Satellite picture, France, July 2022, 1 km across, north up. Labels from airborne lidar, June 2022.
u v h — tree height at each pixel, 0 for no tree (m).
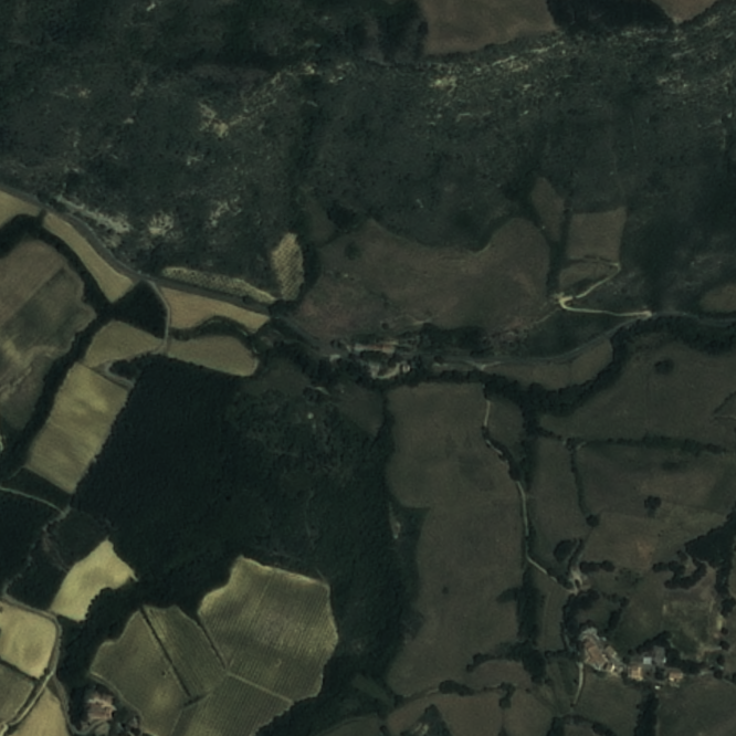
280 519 9
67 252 9
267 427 11
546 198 0
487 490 0
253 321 0
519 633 7
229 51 8
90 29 8
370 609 10
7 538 16
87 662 7
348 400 0
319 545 9
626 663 9
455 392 0
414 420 0
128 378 10
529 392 9
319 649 0
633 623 0
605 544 0
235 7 7
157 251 10
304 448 8
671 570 7
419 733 0
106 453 10
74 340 8
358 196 7
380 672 7
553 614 0
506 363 0
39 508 9
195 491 13
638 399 0
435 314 0
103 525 9
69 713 9
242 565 0
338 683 16
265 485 11
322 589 0
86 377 0
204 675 0
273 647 0
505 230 0
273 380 0
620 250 0
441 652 0
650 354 0
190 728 0
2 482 7
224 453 19
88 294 18
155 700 0
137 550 12
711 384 0
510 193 10
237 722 0
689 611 0
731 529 8
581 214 0
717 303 0
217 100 6
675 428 0
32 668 0
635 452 0
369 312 0
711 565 6
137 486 9
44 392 10
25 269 0
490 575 0
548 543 0
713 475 0
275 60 7
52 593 8
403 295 0
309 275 14
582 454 0
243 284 0
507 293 0
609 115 0
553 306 0
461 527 0
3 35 6
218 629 0
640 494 0
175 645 0
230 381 11
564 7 6
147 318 12
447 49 0
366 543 7
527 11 0
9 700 0
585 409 0
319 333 0
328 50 6
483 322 0
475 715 0
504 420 0
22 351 0
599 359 0
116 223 0
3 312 0
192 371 12
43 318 0
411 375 14
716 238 0
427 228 0
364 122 7
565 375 0
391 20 11
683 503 0
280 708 0
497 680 0
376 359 19
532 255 0
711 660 0
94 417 0
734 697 0
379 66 6
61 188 7
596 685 0
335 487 6
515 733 0
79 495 11
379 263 0
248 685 0
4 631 0
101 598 13
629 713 0
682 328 14
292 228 8
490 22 0
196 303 0
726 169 8
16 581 9
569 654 10
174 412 13
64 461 0
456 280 0
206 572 10
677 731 0
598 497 0
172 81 7
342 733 0
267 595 0
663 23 6
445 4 0
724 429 0
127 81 7
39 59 6
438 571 0
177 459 15
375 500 10
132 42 5
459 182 0
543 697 0
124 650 0
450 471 0
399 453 0
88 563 0
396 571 10
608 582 0
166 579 16
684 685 0
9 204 0
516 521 0
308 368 14
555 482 0
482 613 0
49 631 0
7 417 0
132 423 14
